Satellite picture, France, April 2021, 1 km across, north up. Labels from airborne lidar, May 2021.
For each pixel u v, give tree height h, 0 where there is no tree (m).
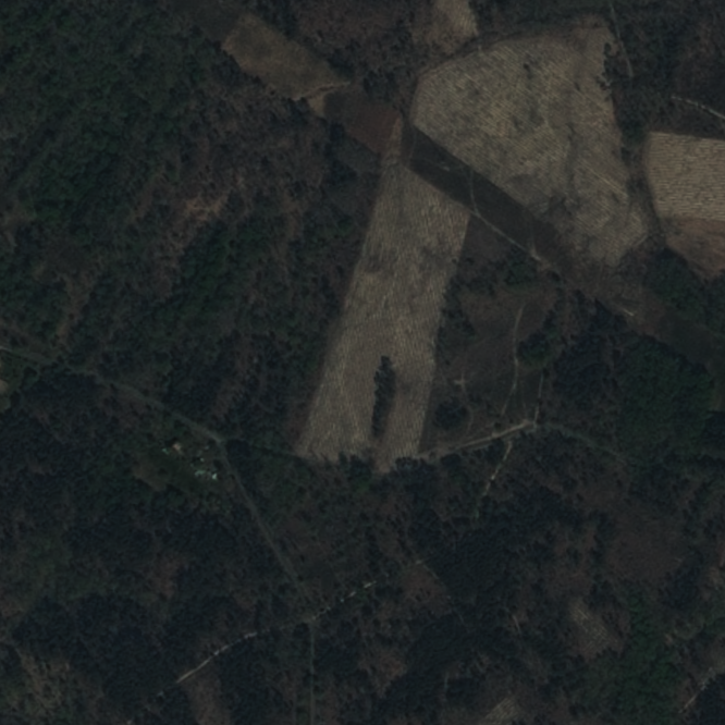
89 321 21
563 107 0
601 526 10
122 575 25
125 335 13
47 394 23
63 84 18
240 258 15
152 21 20
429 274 0
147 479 0
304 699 11
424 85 0
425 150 0
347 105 0
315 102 0
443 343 15
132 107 17
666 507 19
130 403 0
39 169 13
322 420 0
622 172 0
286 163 19
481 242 0
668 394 22
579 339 7
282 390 12
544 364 15
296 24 19
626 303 0
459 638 15
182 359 11
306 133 13
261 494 8
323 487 9
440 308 0
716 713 16
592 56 0
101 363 7
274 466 15
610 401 19
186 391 15
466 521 6
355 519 12
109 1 12
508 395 0
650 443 13
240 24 0
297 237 12
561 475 16
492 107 0
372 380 0
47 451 23
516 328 0
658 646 20
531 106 0
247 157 12
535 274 15
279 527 13
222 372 14
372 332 0
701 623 18
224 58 21
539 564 24
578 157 0
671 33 17
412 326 0
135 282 13
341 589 9
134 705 22
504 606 14
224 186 9
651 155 0
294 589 12
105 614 14
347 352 0
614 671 13
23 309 7
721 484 13
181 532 20
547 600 14
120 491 21
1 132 11
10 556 13
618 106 13
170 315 16
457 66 0
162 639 6
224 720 0
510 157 0
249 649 17
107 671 9
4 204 0
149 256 19
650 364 21
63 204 9
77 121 12
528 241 0
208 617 16
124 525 23
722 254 0
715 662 0
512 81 0
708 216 0
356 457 0
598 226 0
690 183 0
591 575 11
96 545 24
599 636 0
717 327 15
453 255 0
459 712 15
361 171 14
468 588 15
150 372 15
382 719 13
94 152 15
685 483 7
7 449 14
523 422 0
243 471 15
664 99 16
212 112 6
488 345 0
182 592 22
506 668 7
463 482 10
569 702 8
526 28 17
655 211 0
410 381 0
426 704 17
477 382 0
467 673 13
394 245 0
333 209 17
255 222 18
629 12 6
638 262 12
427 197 0
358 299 0
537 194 0
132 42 26
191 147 20
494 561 18
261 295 17
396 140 0
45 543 15
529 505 22
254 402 17
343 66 23
